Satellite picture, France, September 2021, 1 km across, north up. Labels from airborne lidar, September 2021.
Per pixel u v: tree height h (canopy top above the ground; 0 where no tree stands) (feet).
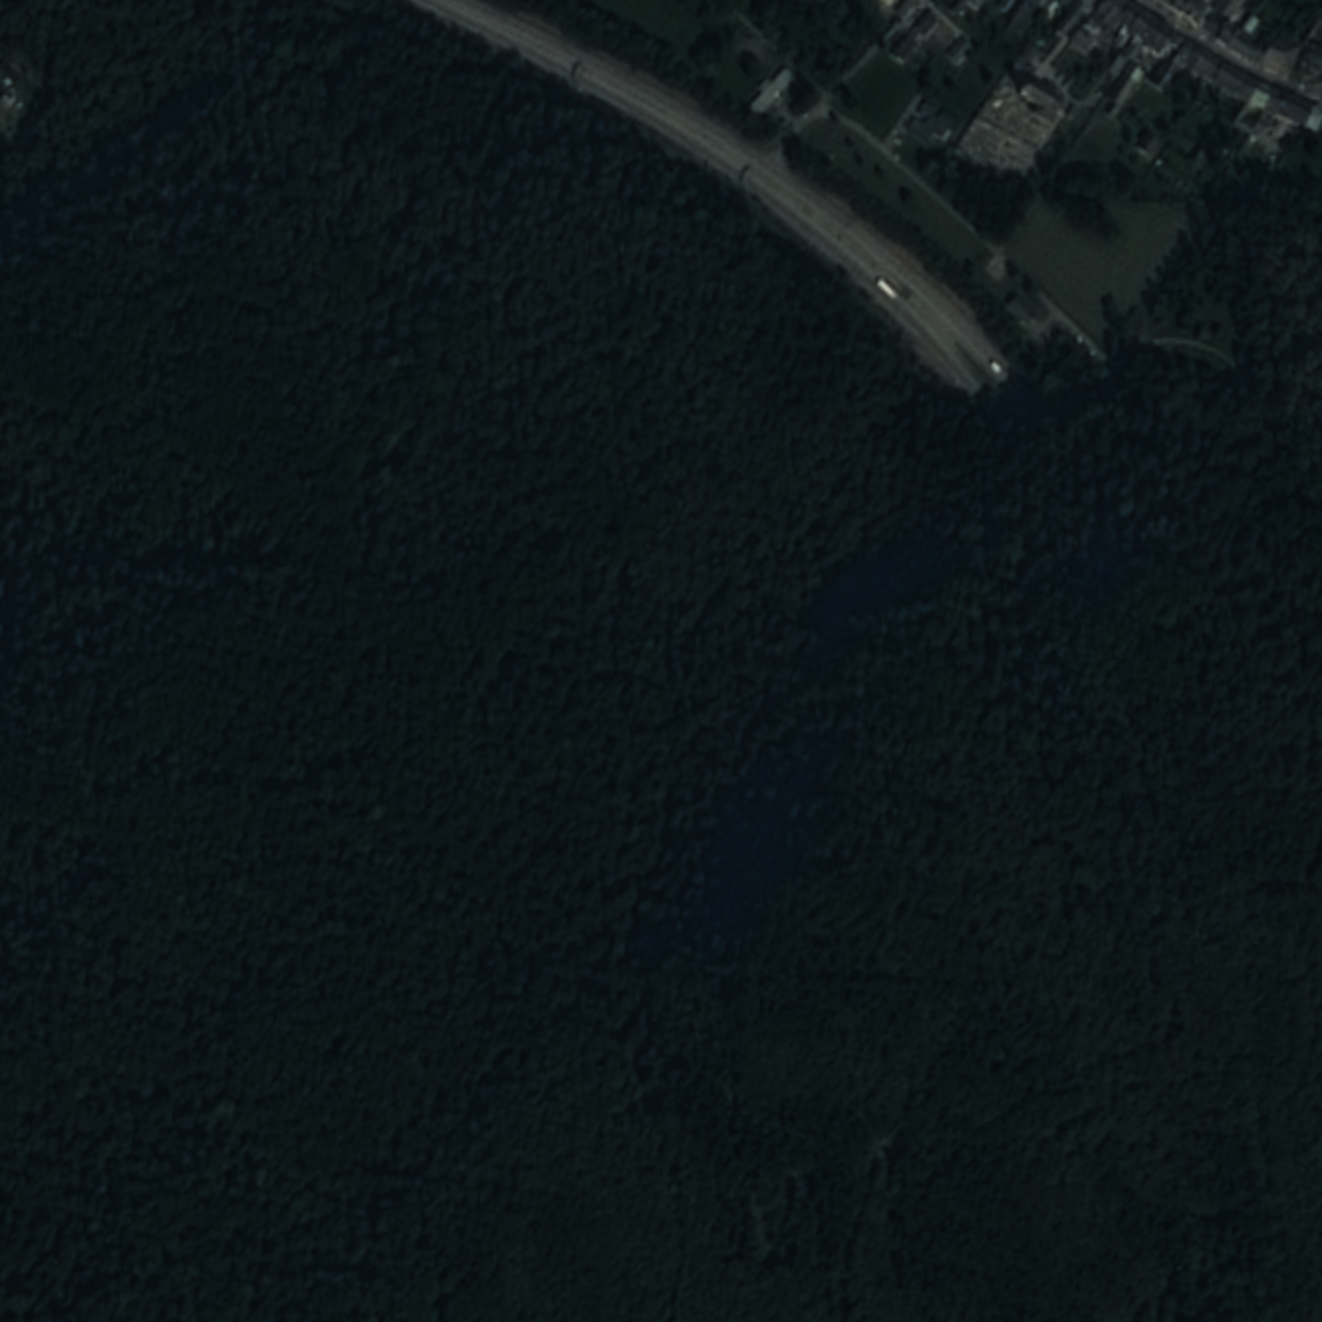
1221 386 46
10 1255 120
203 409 91
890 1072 75
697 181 37
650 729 93
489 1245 71
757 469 72
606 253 81
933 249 18
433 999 78
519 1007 86
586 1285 86
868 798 62
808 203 0
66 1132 85
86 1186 82
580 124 103
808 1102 44
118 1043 64
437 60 83
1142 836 92
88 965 80
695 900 118
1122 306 0
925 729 67
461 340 82
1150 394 82
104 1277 94
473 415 86
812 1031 64
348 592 99
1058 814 54
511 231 84
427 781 92
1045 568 88
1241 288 67
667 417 76
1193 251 55
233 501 71
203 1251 87
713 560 88
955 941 65
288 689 73
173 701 73
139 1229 98
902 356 48
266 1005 69
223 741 82
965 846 70
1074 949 88
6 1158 97
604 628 82
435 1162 96
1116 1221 73
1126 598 41
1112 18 0
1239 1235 87
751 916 74
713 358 78
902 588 74
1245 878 79
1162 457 82
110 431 73
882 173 25
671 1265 73
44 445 46
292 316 99
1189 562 66
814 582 104
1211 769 48
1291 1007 69
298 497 89
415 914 74
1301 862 91
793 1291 63
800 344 106
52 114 67
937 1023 64
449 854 84
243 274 88
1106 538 72
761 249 80
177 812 89
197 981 73
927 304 0
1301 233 82
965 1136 79
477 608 84
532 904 83
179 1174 69
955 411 87
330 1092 59
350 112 99
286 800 81
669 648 87
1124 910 93
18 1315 93
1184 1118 78
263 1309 99
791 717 72
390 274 82
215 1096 68
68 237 85
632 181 84
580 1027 72
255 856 83
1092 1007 68
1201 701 37
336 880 72
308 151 93
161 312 82
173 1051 73
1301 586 76
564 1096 87
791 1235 61
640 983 99
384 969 83
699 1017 72
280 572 67
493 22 0
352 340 82
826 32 72
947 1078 79
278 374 88
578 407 75
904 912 64
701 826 97
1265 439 84
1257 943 64
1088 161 0
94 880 52
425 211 84
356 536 86
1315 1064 82
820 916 37
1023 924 57
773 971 53
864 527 81
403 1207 78
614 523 82
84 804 89
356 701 82
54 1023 81
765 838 87
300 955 69
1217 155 81
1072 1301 68
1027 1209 66
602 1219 72
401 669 86
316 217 72
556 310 92
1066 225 65
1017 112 0
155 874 81
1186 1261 96
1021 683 80
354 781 87
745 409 70
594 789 89
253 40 79
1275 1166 58
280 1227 79
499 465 101
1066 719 81
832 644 53
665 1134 78
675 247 86
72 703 85
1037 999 55
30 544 88
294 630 86
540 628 95
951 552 85
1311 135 23
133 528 68
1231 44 0
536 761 94
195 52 60
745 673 104
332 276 77
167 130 47
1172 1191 89
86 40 47
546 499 89
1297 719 78
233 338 87
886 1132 45
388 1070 63
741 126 25
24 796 77
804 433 85
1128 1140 68
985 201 79
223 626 76
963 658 75
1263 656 80
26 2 65
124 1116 86
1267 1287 104
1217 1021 59
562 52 0
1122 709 86
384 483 101
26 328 100
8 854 70
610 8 0
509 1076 80
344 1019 77
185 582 87
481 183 81
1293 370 92
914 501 85
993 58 0
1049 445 69
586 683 83
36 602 68
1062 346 25
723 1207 73
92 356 75
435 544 76
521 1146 74
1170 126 32
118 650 86
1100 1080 73
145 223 76
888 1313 71
